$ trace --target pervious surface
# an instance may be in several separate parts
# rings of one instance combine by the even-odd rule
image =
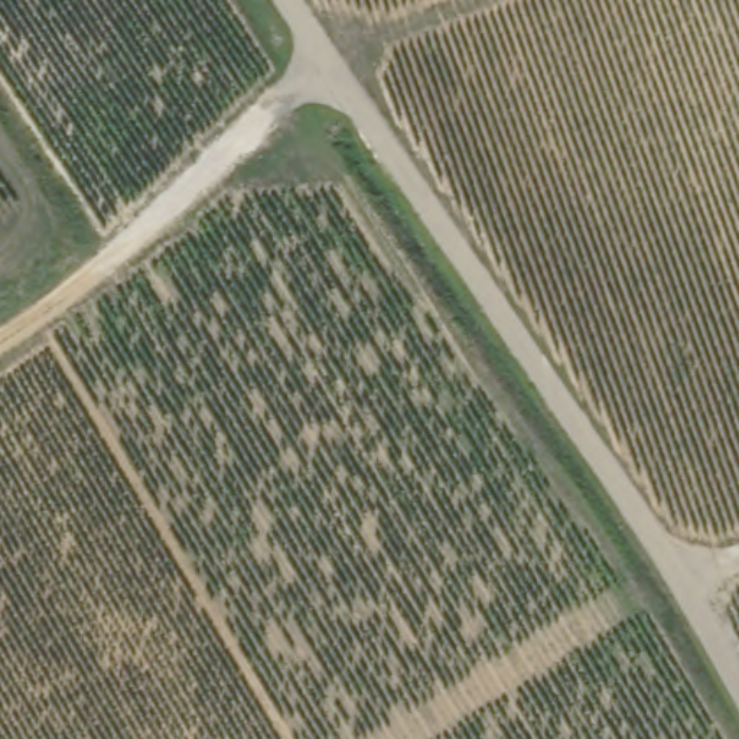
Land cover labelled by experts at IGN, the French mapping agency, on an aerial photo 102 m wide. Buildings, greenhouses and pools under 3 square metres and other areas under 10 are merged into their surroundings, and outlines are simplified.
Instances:
[[[286,75],[274,87],[260,92],[257,104],[248,107],[240,115],[240,121],[231,124],[228,133],[211,141],[199,153],[199,159],[182,176],[176,176],[173,185],[162,191],[130,228],[124,228],[113,242],[101,245],[95,257],[89,257],[78,271],[64,277],[52,292],[46,292],[0,326],[0,355],[69,309],[101,280],[113,277],[121,263],[127,263],[167,225],[173,225],[173,219],[179,219],[208,188],[214,188],[222,179],[242,159],[248,159],[268,141],[268,133],[274,130],[274,121],[280,115],[289,115],[303,104],[326,104],[346,113],[361,144],[407,196],[407,202],[413,205],[436,245],[445,251],[450,266],[459,271],[459,277],[488,315],[491,326],[499,332],[508,352],[520,361],[520,367],[543,395],[557,424],[566,430],[577,453],[600,479],[603,491],[612,497],[615,508],[621,511],[624,522],[632,528],[644,551],[658,569],[661,580],[675,598],[675,606],[687,618],[693,635],[699,638],[704,655],[710,658],[716,675],[722,678],[727,696],[739,710],[739,546],[687,546],[681,540],[673,540],[655,522],[638,491],[629,485],[626,473],[621,471],[621,465],[609,456],[592,424],[586,421],[583,410],[572,401],[548,361],[543,358],[543,352],[537,349],[537,344],[522,329],[520,318],[505,303],[502,292],[491,283],[488,271],[473,257],[459,228],[439,205],[439,199],[430,193],[427,182],[410,165],[401,144],[393,139],[384,118],[378,115],[375,104],[355,81],[338,49],[329,43],[320,23],[309,14],[303,0],[274,0],[277,12],[286,17],[294,38]]]

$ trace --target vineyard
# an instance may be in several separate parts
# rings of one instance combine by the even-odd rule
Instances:
[[[739,739],[739,710],[727,696],[722,678],[716,675],[710,658],[704,655],[699,638],[693,635],[687,618],[675,606],[675,598],[661,580],[658,569],[644,551],[629,563],[618,554],[615,543],[606,537],[603,525],[589,511],[586,499],[569,479],[569,473],[554,462],[537,430],[514,407],[491,367],[482,361],[479,346],[453,326],[450,315],[436,303],[436,297],[427,289],[427,280],[419,274],[407,251],[395,242],[390,225],[381,219],[370,196],[358,188],[352,176],[346,176],[338,185],[338,193],[318,191],[312,196],[297,193],[297,188],[280,188],[277,193],[245,196],[242,188],[234,188],[222,179],[214,188],[208,188],[179,219],[173,219],[173,225],[167,225],[127,263],[121,263],[113,277],[101,280],[69,309],[78,323],[78,338],[61,329],[52,341],[46,341],[46,352],[26,361],[17,372],[0,381],[0,739]]]
[[[329,43],[338,49],[355,81],[375,104],[378,115],[384,118],[393,139],[401,144],[410,165],[427,182],[430,193],[439,199],[439,205],[459,228],[473,257],[488,271],[491,283],[502,292],[505,303],[520,318],[522,329],[537,344],[537,349],[543,352],[543,358],[548,361],[572,401],[583,410],[586,421],[592,424],[609,456],[621,465],[621,471],[626,473],[629,485],[638,491],[655,522],[673,540],[681,540],[687,546],[739,546],[739,0],[303,0],[309,14],[320,23]]]
[[[52,150],[61,156],[78,188],[84,191],[98,219],[107,222],[110,214],[115,214],[118,202],[136,199],[182,153],[185,141],[193,141],[199,130],[214,124],[234,98],[248,92],[251,84],[266,72],[260,52],[248,43],[240,23],[231,17],[225,0],[0,0],[0,72],[14,87],[17,98],[26,104],[38,127],[43,130]]]

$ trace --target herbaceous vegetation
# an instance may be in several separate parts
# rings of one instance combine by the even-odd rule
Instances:
[[[0,381],[17,372],[26,361],[46,352],[46,341],[52,341],[61,329],[78,338],[78,323],[69,309],[0,355]]]
[[[358,188],[370,196],[381,219],[390,225],[395,242],[407,251],[419,274],[427,280],[427,289],[436,297],[436,303],[450,315],[453,326],[479,346],[482,361],[491,367],[514,407],[537,430],[554,462],[569,473],[569,479],[586,499],[589,511],[603,525],[606,537],[615,543],[618,554],[629,563],[644,551],[632,528],[624,522],[621,511],[615,508],[612,497],[603,491],[600,479],[577,453],[566,430],[557,424],[543,395],[520,367],[520,361],[508,352],[499,332],[491,326],[488,315],[459,277],[459,271],[450,266],[445,251],[436,245],[413,205],[407,202],[407,196],[361,144],[346,113],[326,104],[303,104],[289,115],[280,115],[274,121],[274,130],[268,133],[268,141],[248,159],[242,159],[222,179],[234,188],[242,188],[245,196],[277,193],[280,188],[297,188],[297,193],[312,196],[318,191],[338,193],[338,185],[346,176],[352,176]]]
[[[231,17],[240,23],[248,43],[260,52],[266,72],[251,84],[248,92],[234,98],[214,124],[199,130],[193,141],[185,141],[182,153],[136,199],[118,202],[115,214],[110,214],[107,222],[98,219],[84,191],[78,188],[61,156],[52,150],[43,130],[38,127],[26,104],[17,98],[14,87],[0,72],[0,326],[46,292],[52,292],[64,277],[78,271],[89,257],[95,257],[101,245],[113,242],[124,228],[130,228],[162,191],[173,185],[176,176],[182,176],[199,159],[199,153],[211,141],[228,133],[231,124],[240,121],[240,115],[248,107],[257,104],[260,92],[274,87],[286,75],[294,38],[286,17],[277,12],[274,0],[225,0]]]

